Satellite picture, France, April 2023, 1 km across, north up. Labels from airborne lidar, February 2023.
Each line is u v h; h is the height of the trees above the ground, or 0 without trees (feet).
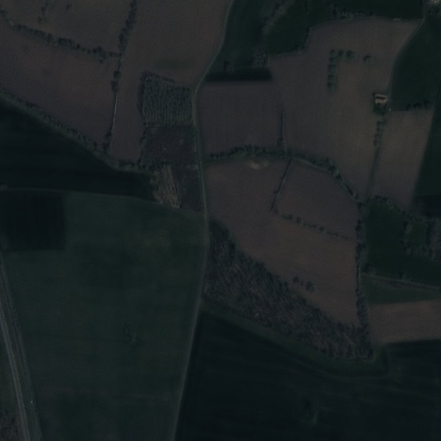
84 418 0
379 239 0
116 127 0
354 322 0
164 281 0
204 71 0
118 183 0
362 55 0
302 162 0
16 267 0
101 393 0
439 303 0
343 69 0
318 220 0
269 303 86
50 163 0
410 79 0
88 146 83
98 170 0
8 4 0
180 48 0
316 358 0
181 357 0
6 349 0
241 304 80
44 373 0
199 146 0
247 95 0
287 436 0
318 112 0
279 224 0
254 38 0
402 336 0
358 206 0
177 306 0
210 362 0
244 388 0
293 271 0
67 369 0
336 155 0
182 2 0
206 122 0
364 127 0
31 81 0
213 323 0
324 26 0
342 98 0
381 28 0
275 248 0
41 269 0
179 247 0
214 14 0
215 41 0
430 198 0
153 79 88
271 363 0
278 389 0
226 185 0
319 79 0
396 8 0
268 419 0
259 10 0
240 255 73
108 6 0
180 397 0
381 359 0
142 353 0
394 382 0
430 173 0
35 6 0
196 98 0
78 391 0
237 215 0
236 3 0
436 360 0
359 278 19
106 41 0
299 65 0
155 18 0
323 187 0
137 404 0
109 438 0
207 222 0
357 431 0
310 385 0
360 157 0
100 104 0
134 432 0
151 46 0
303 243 0
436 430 0
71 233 0
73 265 0
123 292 0
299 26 0
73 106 0
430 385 0
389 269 0
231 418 0
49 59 0
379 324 0
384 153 0
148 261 0
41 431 0
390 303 0
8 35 0
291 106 0
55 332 0
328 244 0
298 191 0
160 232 0
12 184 0
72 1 0
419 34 0
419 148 0
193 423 0
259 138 0
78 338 0
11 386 0
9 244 0
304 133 0
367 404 0
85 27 0
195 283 0
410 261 0
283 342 0
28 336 0
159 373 0
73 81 0
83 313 0
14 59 0
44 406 0
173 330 0
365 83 0
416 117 0
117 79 56
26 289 0
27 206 0
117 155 0
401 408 0
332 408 0
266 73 0
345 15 76
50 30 0
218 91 0
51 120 64
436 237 77
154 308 0
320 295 0
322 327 81
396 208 19
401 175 0
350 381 0
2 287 0
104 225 0
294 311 74
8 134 0
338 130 0
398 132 0
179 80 0
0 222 0
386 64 0
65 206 0
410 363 0
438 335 0
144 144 39
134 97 0
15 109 0
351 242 0
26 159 0
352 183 0
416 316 0
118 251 0
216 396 0
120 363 0
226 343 0
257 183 0
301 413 0
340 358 60
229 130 0
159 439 0
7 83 0
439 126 0
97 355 0
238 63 0
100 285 0
